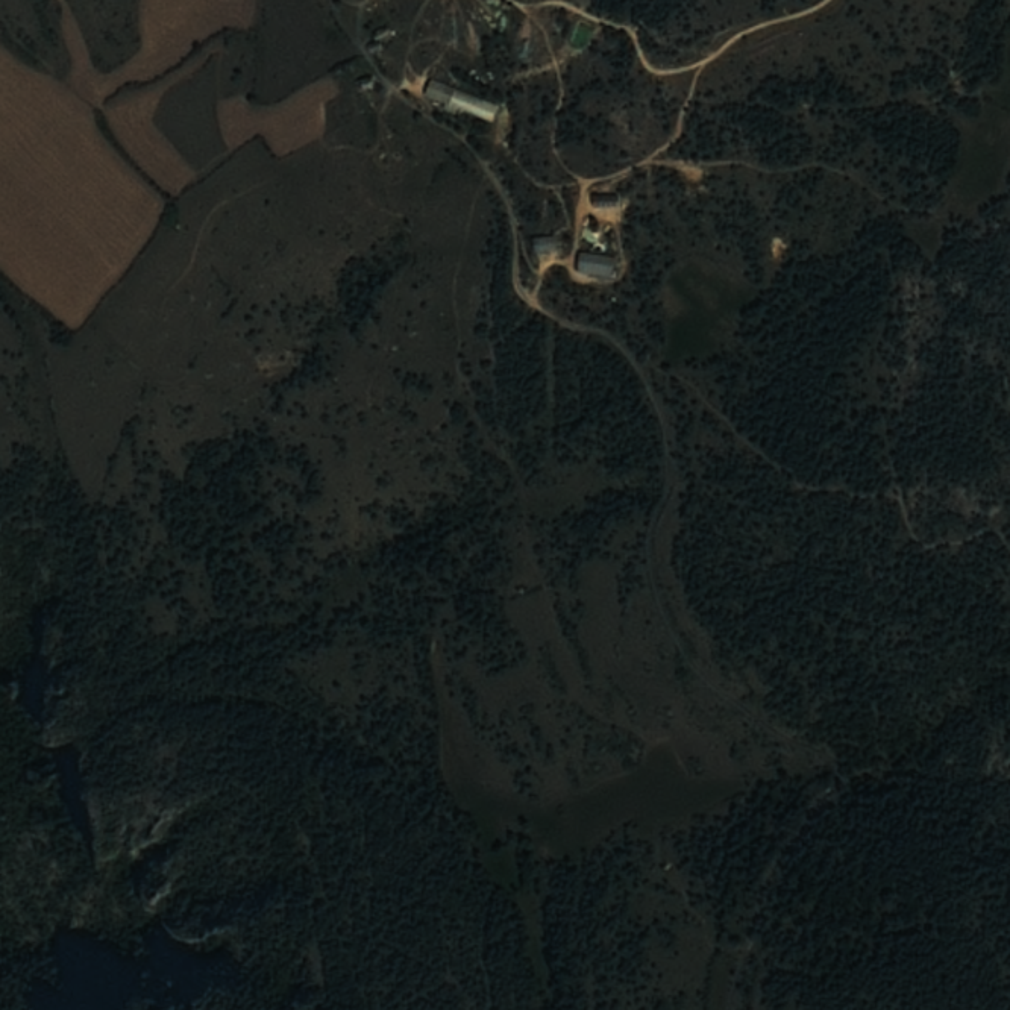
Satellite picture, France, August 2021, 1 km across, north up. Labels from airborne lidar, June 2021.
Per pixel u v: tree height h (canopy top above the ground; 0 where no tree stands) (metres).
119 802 6
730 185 7
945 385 7
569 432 6
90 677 7
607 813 0
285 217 0
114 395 0
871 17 0
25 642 10
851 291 9
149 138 0
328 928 11
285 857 7
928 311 0
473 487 8
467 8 0
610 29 7
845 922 12
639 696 0
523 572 0
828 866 11
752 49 0
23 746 9
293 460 7
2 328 0
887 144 11
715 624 8
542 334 7
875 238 9
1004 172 0
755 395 7
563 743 7
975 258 6
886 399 6
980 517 5
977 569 6
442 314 0
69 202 0
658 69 0
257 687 8
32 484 8
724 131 8
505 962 11
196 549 9
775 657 6
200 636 7
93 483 0
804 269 9
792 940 10
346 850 9
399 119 0
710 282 0
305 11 0
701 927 0
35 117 0
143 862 8
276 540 9
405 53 0
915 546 8
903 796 6
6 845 6
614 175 0
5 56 0
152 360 0
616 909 6
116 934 12
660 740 0
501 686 0
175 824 8
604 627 0
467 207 0
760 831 6
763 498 8
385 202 0
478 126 9
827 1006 11
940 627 8
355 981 9
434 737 9
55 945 8
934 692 9
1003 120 0
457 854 10
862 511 8
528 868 10
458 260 0
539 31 0
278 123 0
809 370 8
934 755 8
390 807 9
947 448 8
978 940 8
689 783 0
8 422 0
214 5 0
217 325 0
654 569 0
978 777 7
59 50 0
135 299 0
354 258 6
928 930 10
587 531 6
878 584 8
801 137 7
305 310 7
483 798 0
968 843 10
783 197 8
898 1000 7
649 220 7
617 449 7
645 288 7
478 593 8
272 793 7
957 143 8
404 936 5
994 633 7
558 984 18
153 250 0
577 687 0
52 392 0
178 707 14
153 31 0
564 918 10
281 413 6
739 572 8
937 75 9
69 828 9
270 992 8
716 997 0
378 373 0
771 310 9
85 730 11
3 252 0
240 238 0
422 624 7
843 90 8
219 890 9
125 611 9
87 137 0
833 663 8
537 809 0
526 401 6
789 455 10
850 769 13
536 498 0
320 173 0
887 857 10
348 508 0
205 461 7
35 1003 8
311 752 11
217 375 0
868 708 8
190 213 0
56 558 7
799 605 11
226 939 7
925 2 0
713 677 0
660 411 0
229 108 0
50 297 0
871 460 8
